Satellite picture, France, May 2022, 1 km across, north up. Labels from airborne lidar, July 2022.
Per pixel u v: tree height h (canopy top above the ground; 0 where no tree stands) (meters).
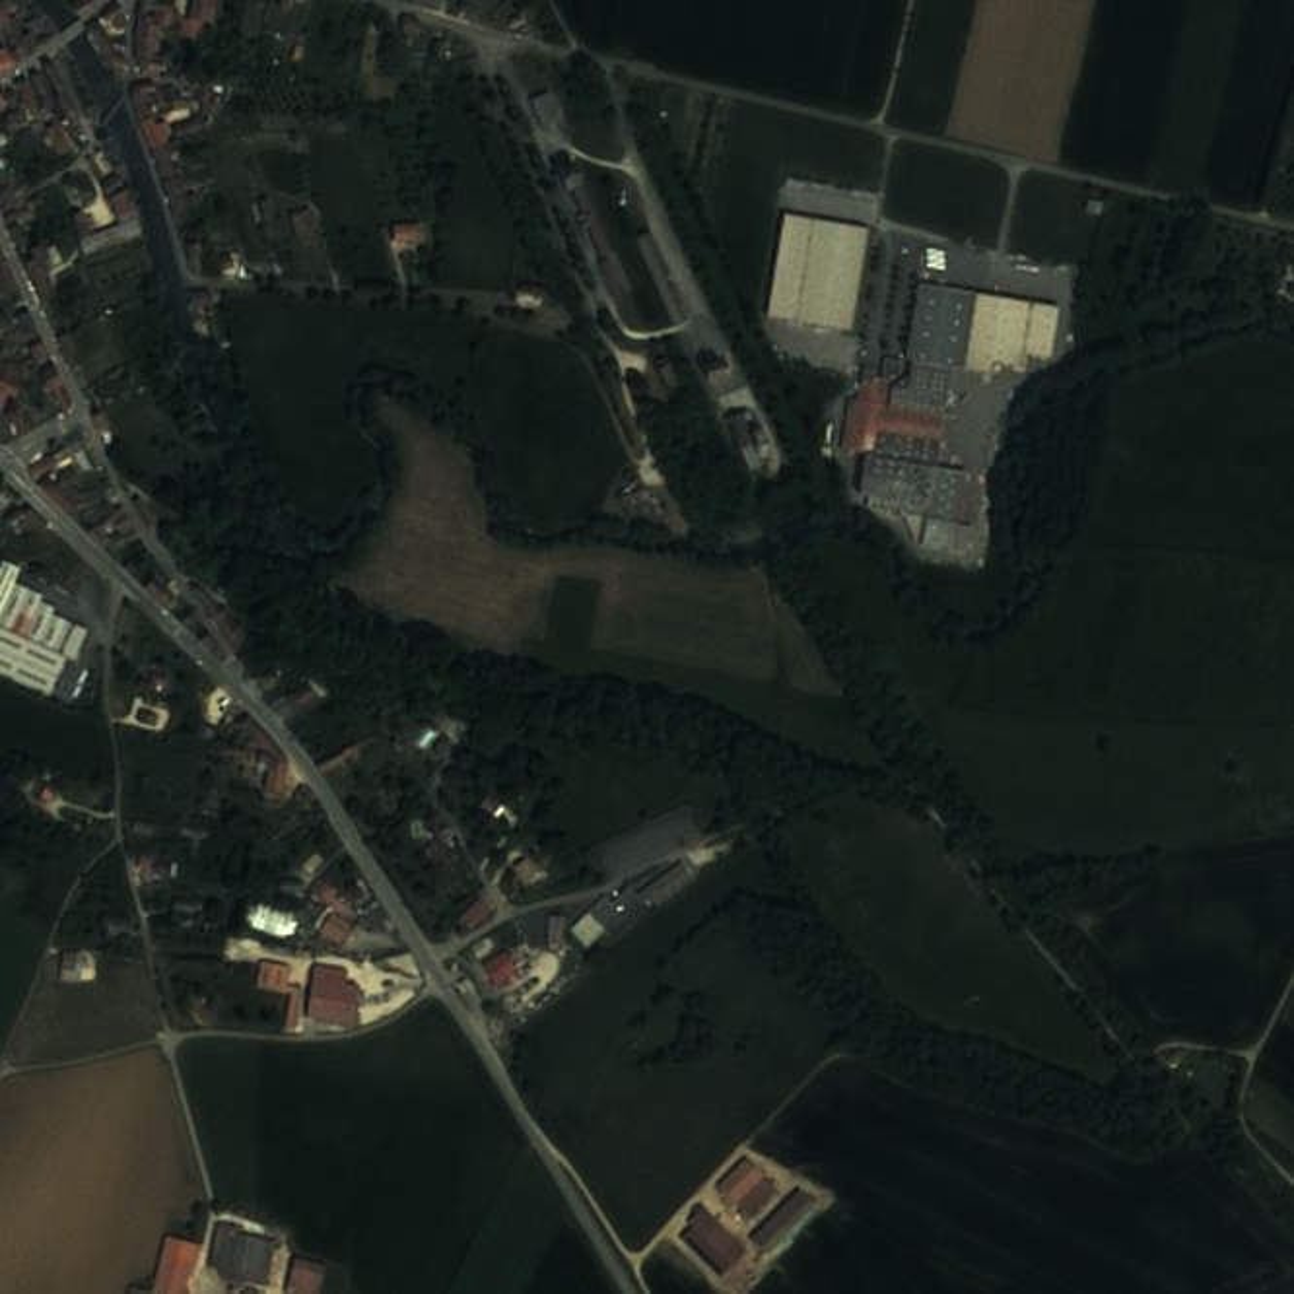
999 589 0
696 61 0
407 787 16
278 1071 0
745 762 25
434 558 0
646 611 0
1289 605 0
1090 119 0
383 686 18
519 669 16
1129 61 0
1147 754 0
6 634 0
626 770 0
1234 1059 8
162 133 0
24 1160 0
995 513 11
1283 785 0
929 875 0
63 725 0
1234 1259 0
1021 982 0
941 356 0
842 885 0
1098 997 12
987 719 0
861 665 16
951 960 0
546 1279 0
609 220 0
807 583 21
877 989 24
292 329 0
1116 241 0
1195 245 23
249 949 0
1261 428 0
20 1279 0
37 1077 0
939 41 0
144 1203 0
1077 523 27
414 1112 0
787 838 10
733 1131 0
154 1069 0
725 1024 0
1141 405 0
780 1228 0
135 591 0
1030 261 0
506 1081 0
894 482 0
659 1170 0
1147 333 15
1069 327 0
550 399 0
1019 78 0
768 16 0
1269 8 0
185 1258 0
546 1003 0
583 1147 0
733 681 0
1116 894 0
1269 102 0
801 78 0
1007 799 0
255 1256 0
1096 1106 21
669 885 0
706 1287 0
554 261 16
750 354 12
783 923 24
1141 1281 0
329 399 0
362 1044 0
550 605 0
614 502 0
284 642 18
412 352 0
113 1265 0
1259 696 0
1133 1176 0
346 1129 0
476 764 13
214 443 17
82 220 0
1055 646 0
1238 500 0
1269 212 7
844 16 0
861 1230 0
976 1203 0
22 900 0
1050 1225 0
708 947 0
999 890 9
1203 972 0
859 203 0
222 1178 0
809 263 0
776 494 18
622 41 0
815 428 14
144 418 0
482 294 0
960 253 0
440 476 0
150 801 0
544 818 17
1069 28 0
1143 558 0
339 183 0
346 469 0
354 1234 0
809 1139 0
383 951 0
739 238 0
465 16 0
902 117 0
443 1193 0
